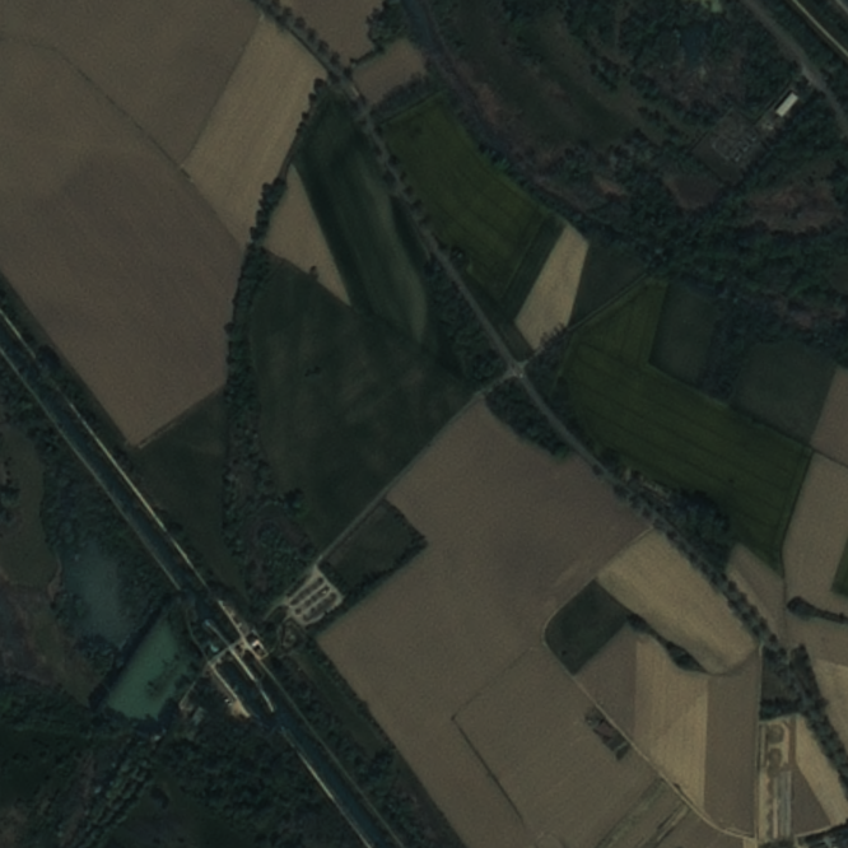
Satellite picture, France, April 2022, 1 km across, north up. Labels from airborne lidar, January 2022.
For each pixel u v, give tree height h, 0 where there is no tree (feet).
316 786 38
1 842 0
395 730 0
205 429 0
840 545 0
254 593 27
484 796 0
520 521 0
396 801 22
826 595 0
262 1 65
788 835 0
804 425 0
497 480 0
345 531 0
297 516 28
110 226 0
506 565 0
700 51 0
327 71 0
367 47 0
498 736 0
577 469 0
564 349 47
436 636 0
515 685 0
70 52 0
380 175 0
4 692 73
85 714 19
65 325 0
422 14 0
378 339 0
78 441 0
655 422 0
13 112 0
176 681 0
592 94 0
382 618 0
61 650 0
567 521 0
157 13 0
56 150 0
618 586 0
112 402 0
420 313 0
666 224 58
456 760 0
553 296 0
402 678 0
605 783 0
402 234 0
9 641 0
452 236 0
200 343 0
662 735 0
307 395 0
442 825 0
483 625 0
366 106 56
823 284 48
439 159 0
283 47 0
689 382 0
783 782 0
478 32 0
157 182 0
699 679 0
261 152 0
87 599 0
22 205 0
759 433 0
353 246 0
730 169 0
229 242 0
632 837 0
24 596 0
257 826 21
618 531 0
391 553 0
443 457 0
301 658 0
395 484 0
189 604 46
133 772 42
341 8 0
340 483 0
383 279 0
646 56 52
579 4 57
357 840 52
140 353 0
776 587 0
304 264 0
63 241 0
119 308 0
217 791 57
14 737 0
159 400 0
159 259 0
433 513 0
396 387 0
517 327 0
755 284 56
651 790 0
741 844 0
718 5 0
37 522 0
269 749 76
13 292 0
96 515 19
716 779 0
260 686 41
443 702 0
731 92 0
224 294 0
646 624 37
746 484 0
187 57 0
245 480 0
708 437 0
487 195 0
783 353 0
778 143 27
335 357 0
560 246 0
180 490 0
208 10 0
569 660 0
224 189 0
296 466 0
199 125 0
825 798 0
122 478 0
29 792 0
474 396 0
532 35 0
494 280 0
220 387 0
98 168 0
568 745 0
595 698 0
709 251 52
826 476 0
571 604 0
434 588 0
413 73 0
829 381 0
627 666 0
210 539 0
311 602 0
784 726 0
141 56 0
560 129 0
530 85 0
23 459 0
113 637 0
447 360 0
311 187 0
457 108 45
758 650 0
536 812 0
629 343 0
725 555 51
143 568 20
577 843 0
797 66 32
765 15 0
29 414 36
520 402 53
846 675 0
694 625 0
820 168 0
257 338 0
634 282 0
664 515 40
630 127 0
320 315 0
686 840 0
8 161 0
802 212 0
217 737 50
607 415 0
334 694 0
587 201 0
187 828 0
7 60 0
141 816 0
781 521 0
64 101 0
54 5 0
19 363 50
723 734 0
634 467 0
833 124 59
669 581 0
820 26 0
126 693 0
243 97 0
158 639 0
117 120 0
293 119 0
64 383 47
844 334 54
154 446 0
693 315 0
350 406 0
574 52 0
